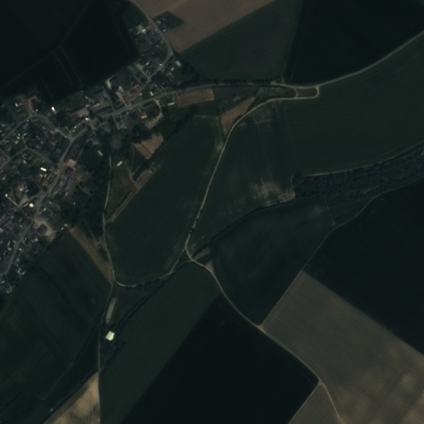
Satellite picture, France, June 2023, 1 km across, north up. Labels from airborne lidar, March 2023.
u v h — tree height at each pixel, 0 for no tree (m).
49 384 0
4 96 0
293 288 0
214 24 0
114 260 0
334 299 0
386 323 0
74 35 0
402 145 0
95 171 7
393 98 0
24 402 0
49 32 0
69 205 0
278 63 0
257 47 0
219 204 0
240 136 0
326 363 0
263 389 0
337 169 0
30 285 0
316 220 0
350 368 0
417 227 0
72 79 0
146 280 0
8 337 0
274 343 0
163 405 0
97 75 0
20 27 0
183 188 0
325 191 6
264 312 0
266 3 0
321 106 0
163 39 0
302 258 0
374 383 0
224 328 0
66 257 0
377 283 0
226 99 0
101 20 0
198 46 0
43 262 0
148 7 0
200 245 0
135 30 0
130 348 0
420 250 0
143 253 0
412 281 0
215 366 0
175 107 0
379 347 0
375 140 0
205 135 0
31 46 0
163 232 0
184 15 0
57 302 0
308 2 0
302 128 0
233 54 0
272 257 0
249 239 0
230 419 0
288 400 0
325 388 0
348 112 0
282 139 0
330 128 0
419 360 0
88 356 0
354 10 0
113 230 0
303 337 0
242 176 0
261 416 0
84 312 0
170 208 0
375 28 0
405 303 0
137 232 0
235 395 0
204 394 0
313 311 0
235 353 0
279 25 0
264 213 0
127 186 0
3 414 0
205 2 0
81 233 0
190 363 0
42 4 0
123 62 0
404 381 0
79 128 0
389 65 0
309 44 0
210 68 0
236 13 0
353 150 0
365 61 0
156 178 0
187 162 0
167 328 0
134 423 0
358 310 0
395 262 0
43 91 0
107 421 0
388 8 0
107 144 13
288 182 0
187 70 14
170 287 0
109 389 0
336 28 0
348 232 0
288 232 0
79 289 0
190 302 0
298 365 0
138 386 0
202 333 0
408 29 0
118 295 0
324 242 0
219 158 0
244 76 0
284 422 0
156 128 20
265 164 0
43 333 0
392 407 0
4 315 0
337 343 0
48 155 0
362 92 0
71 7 0
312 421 0
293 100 0
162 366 0
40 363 0
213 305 0
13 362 0
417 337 0
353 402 0
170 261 0
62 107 0
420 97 0
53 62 0
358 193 6
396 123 0
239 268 0
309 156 0
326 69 0
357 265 0
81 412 0
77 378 0
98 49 0
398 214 0
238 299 0
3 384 0
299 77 0
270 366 0
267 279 0
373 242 0
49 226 0
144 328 0
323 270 0
